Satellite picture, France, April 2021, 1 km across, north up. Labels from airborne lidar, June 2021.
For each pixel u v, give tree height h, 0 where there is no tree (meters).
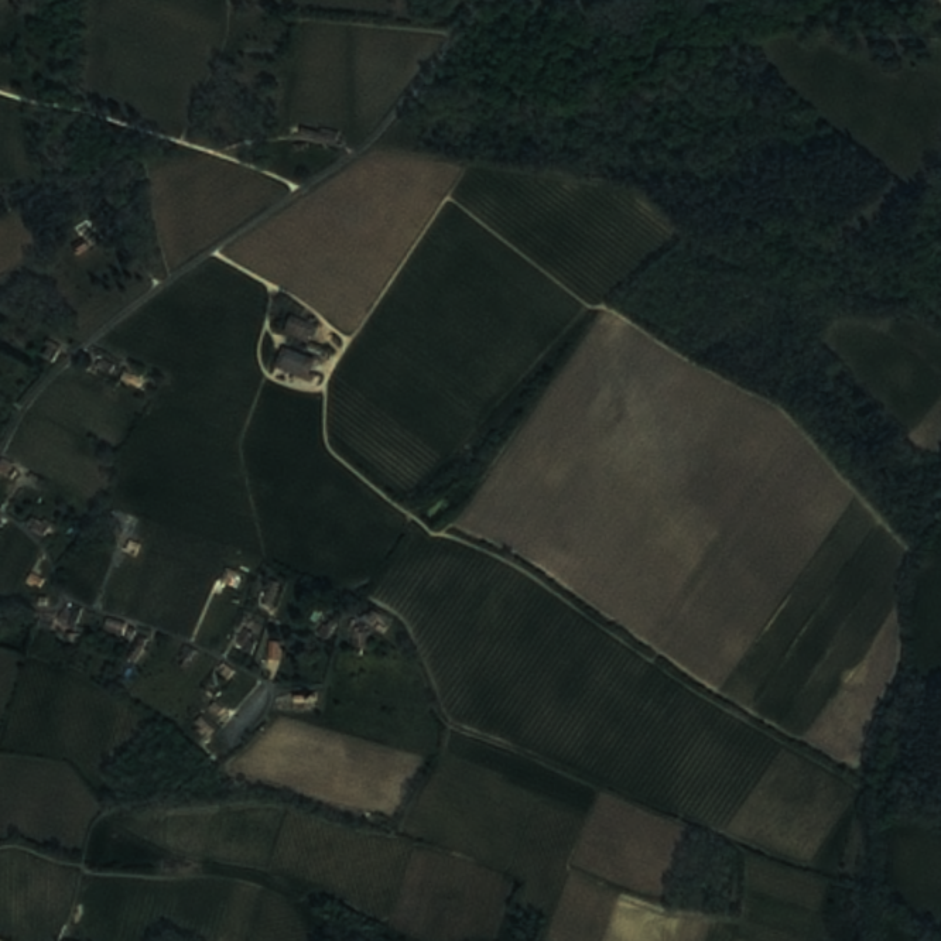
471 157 10
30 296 19
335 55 0
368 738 0
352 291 0
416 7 16
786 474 0
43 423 0
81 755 0
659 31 24
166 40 0
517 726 0
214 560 0
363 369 0
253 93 15
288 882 0
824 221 19
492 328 0
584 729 0
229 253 0
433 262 0
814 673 0
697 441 0
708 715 0
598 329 0
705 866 22
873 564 0
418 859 0
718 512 0
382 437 0
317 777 0
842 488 0
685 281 16
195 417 0
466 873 0
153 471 0
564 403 0
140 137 23
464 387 0
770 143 9
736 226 25
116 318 0
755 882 0
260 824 0
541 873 0
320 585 8
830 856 0
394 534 0
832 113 0
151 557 0
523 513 0
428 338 0
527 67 24
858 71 0
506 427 6
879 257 21
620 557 0
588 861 0
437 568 0
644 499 0
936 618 0
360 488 0
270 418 0
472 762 0
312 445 0
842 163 27
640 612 0
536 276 0
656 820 0
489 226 0
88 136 15
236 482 0
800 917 0
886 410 13
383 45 0
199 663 0
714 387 0
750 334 16
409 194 0
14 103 0
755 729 0
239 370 0
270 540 0
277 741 0
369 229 0
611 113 24
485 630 0
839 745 0
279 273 0
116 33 0
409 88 0
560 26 18
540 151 19
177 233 0
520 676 0
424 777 13
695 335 12
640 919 0
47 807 0
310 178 16
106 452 18
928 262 18
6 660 0
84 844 0
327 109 0
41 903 0
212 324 0
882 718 16
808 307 21
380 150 0
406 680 0
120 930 0
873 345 0
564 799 0
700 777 0
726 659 0
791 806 0
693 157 21
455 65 15
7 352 22
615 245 0
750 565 0
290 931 0
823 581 0
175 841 0
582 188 0
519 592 0
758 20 27
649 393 0
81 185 19
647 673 0
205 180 0
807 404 23
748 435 0
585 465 0
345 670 0
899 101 0
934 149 0
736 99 15
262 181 0
